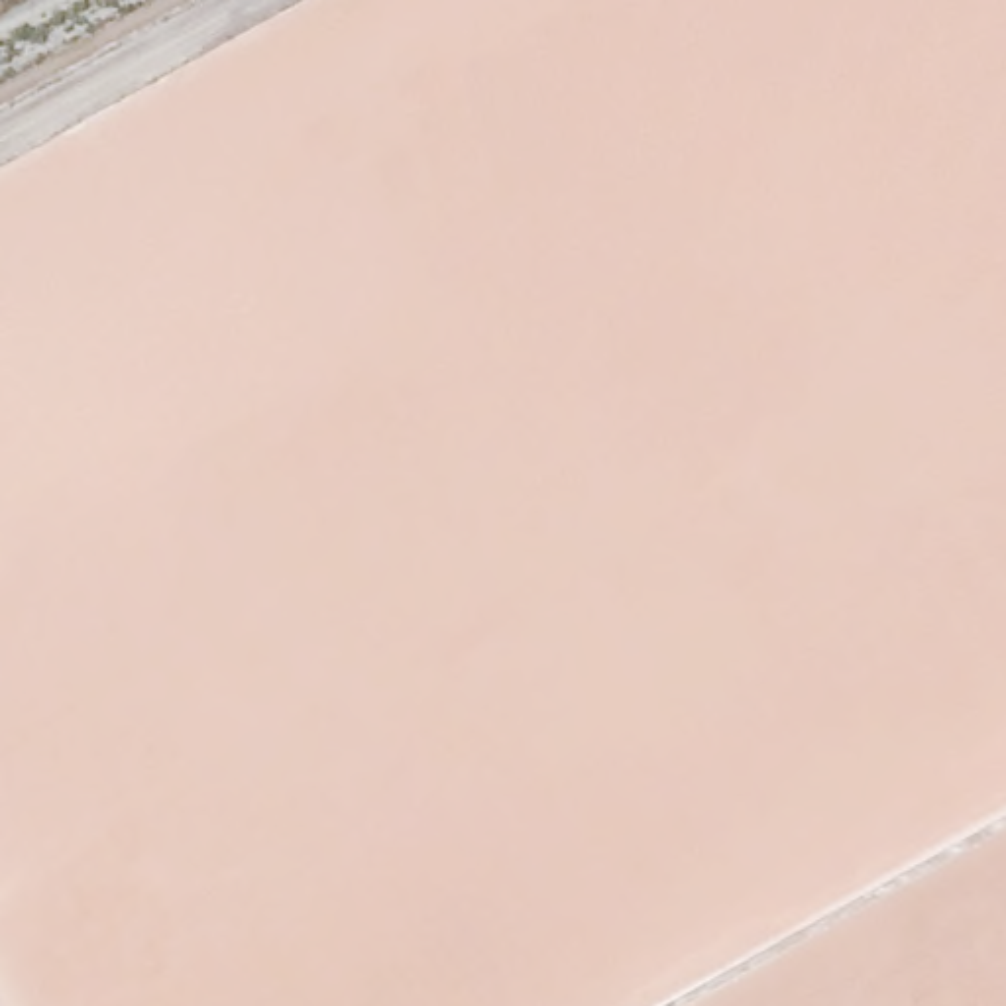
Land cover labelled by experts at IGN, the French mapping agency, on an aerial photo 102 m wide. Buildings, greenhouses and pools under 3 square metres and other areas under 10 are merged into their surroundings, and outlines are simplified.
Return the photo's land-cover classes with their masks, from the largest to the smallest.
<instances>
[{"label":"water","instance_id":"1","mask_svg":"<svg viewBox=\"0 0 1006 1006\"><path fill-rule=\"evenodd\" d=\"M1006 802V0H283L263 24L236 35L232 43L208 51L204 59L161 79L157 86H145L122 98L118 106H106L102 114L79 122L63 138L0 169V1006H644L648 998L703 975L719 959L758 943L778 923L806 916L810 908L892 868L916 849L947 837L963 821L982 817ZM699 1006H1006V829L971 837L959 857H939L927 876L888 896L857 904L810 943L794 947L790 955H778L751 978L715 990Z\"/></svg>","mask_w":1006,"mask_h":1006},{"label":"pervious surface","instance_id":"2","mask_svg":"<svg viewBox=\"0 0 1006 1006\"><path fill-rule=\"evenodd\" d=\"M283 0H0V169L63 138L79 122L102 114L106 106H118L122 98L145 86H157L161 79L204 59L208 51L232 43L236 35L263 24ZM1006 829V802L982 817L963 821L947 837L916 849L892 868L810 908L806 916L778 923L758 943L719 959L703 975L648 998L644 1006H699L715 990L751 978L778 955H790L794 947L810 943L857 904L888 896L927 876L939 857H959L971 837Z\"/></svg>","mask_w":1006,"mask_h":1006}]
</instances>
